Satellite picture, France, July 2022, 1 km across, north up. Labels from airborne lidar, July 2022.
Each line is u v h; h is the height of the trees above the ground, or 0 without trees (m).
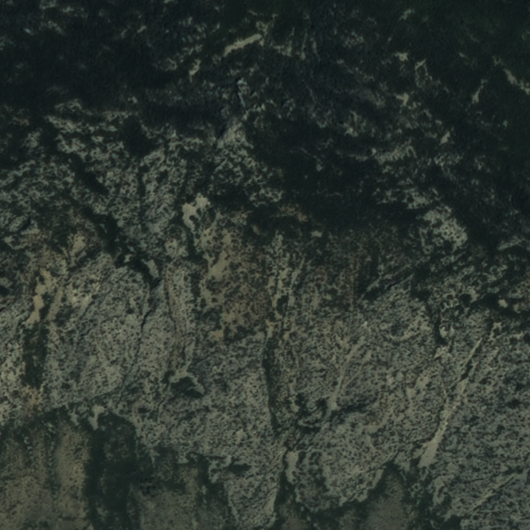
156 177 6
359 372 0
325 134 10
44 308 7
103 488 0
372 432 0
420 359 13
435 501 0
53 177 7
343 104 6
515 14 9
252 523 0
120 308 0
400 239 6
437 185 7
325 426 0
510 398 0
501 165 11
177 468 0
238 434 0
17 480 0
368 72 6
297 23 7
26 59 7
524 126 9
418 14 8
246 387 0
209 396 0
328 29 7
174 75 11
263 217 6
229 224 5
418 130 9
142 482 11
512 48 7
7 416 0
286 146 6
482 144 9
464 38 6
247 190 8
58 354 0
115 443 0
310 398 0
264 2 9
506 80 10
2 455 0
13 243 7
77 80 6
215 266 0
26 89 7
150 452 0
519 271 7
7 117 6
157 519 0
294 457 0
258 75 6
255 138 6
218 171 6
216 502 0
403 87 5
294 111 12
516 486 0
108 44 6
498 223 7
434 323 7
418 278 6
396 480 0
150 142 6
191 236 9
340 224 6
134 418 0
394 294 9
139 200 6
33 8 9
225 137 0
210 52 9
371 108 5
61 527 0
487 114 9
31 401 0
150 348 0
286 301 7
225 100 8
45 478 0
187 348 0
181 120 10
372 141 8
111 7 7
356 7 7
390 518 0
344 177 6
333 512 0
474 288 6
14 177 7
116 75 9
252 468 0
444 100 7
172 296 0
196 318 7
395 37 6
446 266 7
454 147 8
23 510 0
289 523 0
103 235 6
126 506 0
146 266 7
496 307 8
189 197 9
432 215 0
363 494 0
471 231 6
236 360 0
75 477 0
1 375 0
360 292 8
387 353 0
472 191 7
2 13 5
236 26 8
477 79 9
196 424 0
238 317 0
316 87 7
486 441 0
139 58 7
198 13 7
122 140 6
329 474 0
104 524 0
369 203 7
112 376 0
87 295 0
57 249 8
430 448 0
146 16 10
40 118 7
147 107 6
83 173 9
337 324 0
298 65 7
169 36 8
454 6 6
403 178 7
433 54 6
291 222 6
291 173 8
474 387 0
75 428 6
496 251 6
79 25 9
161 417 0
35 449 0
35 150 7
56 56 7
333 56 7
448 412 0
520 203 8
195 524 0
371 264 7
